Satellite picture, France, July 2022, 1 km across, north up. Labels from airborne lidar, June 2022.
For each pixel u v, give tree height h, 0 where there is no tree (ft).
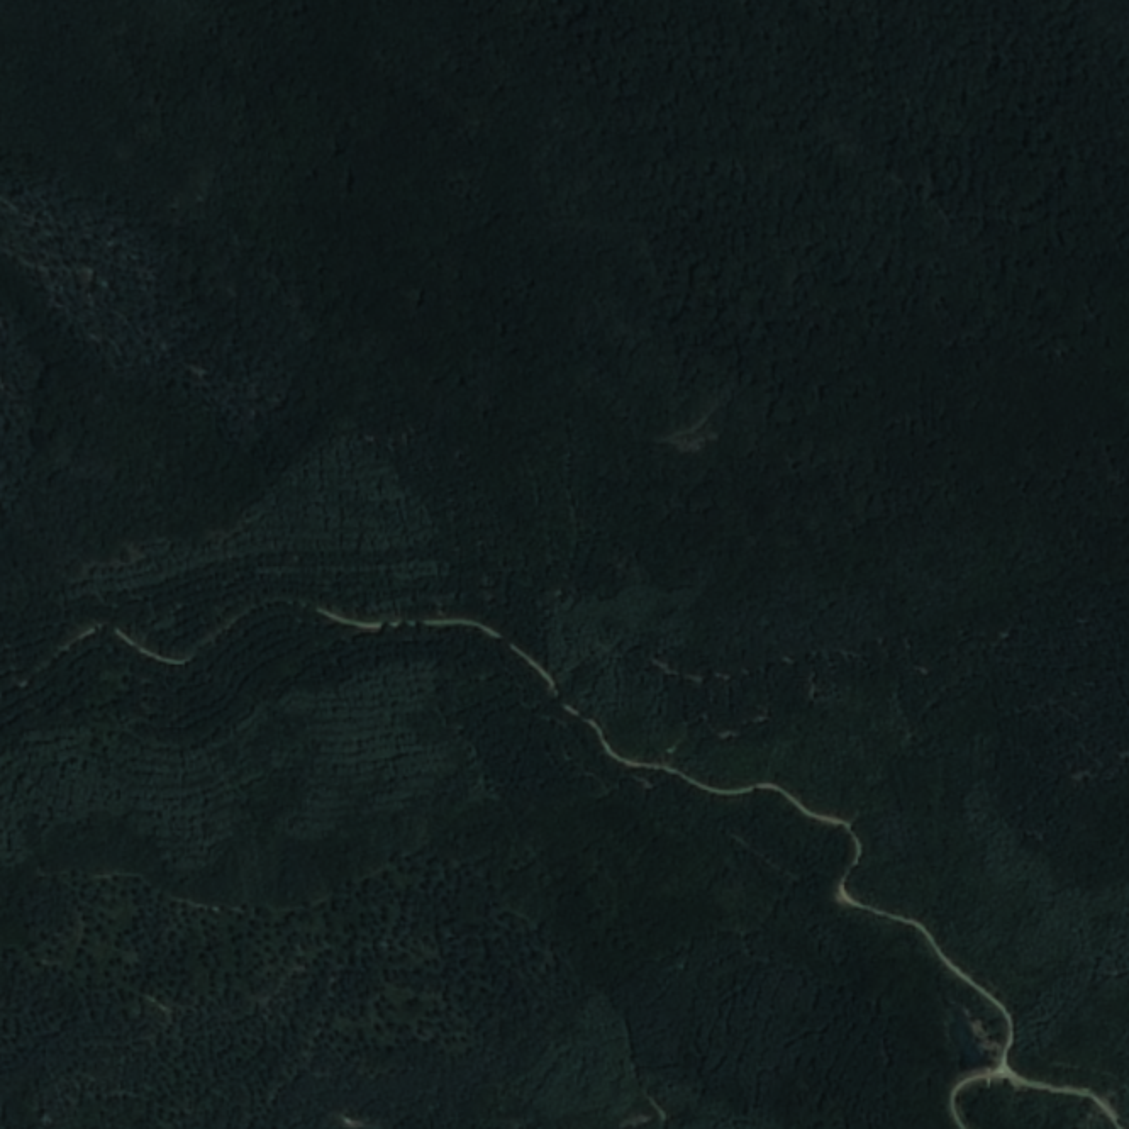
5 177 64
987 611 58
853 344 43
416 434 57
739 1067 57
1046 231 66
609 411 36
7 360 67
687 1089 34
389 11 37
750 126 42
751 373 46
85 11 27
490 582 30
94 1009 67
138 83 44
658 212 39
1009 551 50
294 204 48
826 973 44
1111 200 44
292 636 55
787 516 35
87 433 40
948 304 63
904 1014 49
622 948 35
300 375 37
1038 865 36
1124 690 62
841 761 47
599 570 52
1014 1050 26
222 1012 43
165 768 60
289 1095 48
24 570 31
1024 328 63
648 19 58
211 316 50
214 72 32
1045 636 50
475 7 68
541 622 48
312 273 48
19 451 69
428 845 23
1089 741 49
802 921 48
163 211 37
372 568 34
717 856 27
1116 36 23
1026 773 38
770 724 54
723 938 33
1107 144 60
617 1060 40
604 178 45
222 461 31
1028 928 41
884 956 56
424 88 42
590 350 38
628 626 52
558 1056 40
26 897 48
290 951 49
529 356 50
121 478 37
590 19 80
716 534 47
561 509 40
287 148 68
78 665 49
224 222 42
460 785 36
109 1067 35
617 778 37
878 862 18
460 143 61
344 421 40
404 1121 44
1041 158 68
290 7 51
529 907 21
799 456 59
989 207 53
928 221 33
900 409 46
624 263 35
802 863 47
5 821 50
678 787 42
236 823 33
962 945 29
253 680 52
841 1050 57
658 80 52
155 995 48
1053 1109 38
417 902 43
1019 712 36
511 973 60
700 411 25
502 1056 29
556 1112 33
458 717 46
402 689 56
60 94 32
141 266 69
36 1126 37
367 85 67
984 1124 43
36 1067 43
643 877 21
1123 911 53
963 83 51
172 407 38
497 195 39
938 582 48
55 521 24
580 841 19
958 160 57
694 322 63
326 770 40
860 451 30
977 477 62
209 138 29
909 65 41
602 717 40
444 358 75
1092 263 48
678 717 49
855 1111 50
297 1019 60
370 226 68
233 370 61
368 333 53
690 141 53
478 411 66
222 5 63
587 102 40
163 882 24
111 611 45
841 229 48
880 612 44
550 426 52
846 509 65
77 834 48
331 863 29
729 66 46
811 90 30
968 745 40
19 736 39
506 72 62
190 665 48
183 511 22
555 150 27
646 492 52
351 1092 39
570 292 35
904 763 24
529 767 56
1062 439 58
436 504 57
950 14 46
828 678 54
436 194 70
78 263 64
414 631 58
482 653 51
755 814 27
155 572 35
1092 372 67
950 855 24
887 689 31
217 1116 37
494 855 30
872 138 50
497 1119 21
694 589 55
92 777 44
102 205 56
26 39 36
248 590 56
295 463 41
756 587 58
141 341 64
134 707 46
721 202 44
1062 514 44
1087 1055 30
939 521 45
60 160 34
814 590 42
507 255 44
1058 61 52
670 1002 49
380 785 45
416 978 60
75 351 30
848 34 72
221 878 29
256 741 31
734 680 44
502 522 44
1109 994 41
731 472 46
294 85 55
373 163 71
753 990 54
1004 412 67
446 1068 33
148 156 24
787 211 31
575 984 35
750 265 43
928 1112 36
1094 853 32
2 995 37
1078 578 45
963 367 54
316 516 42
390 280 64
